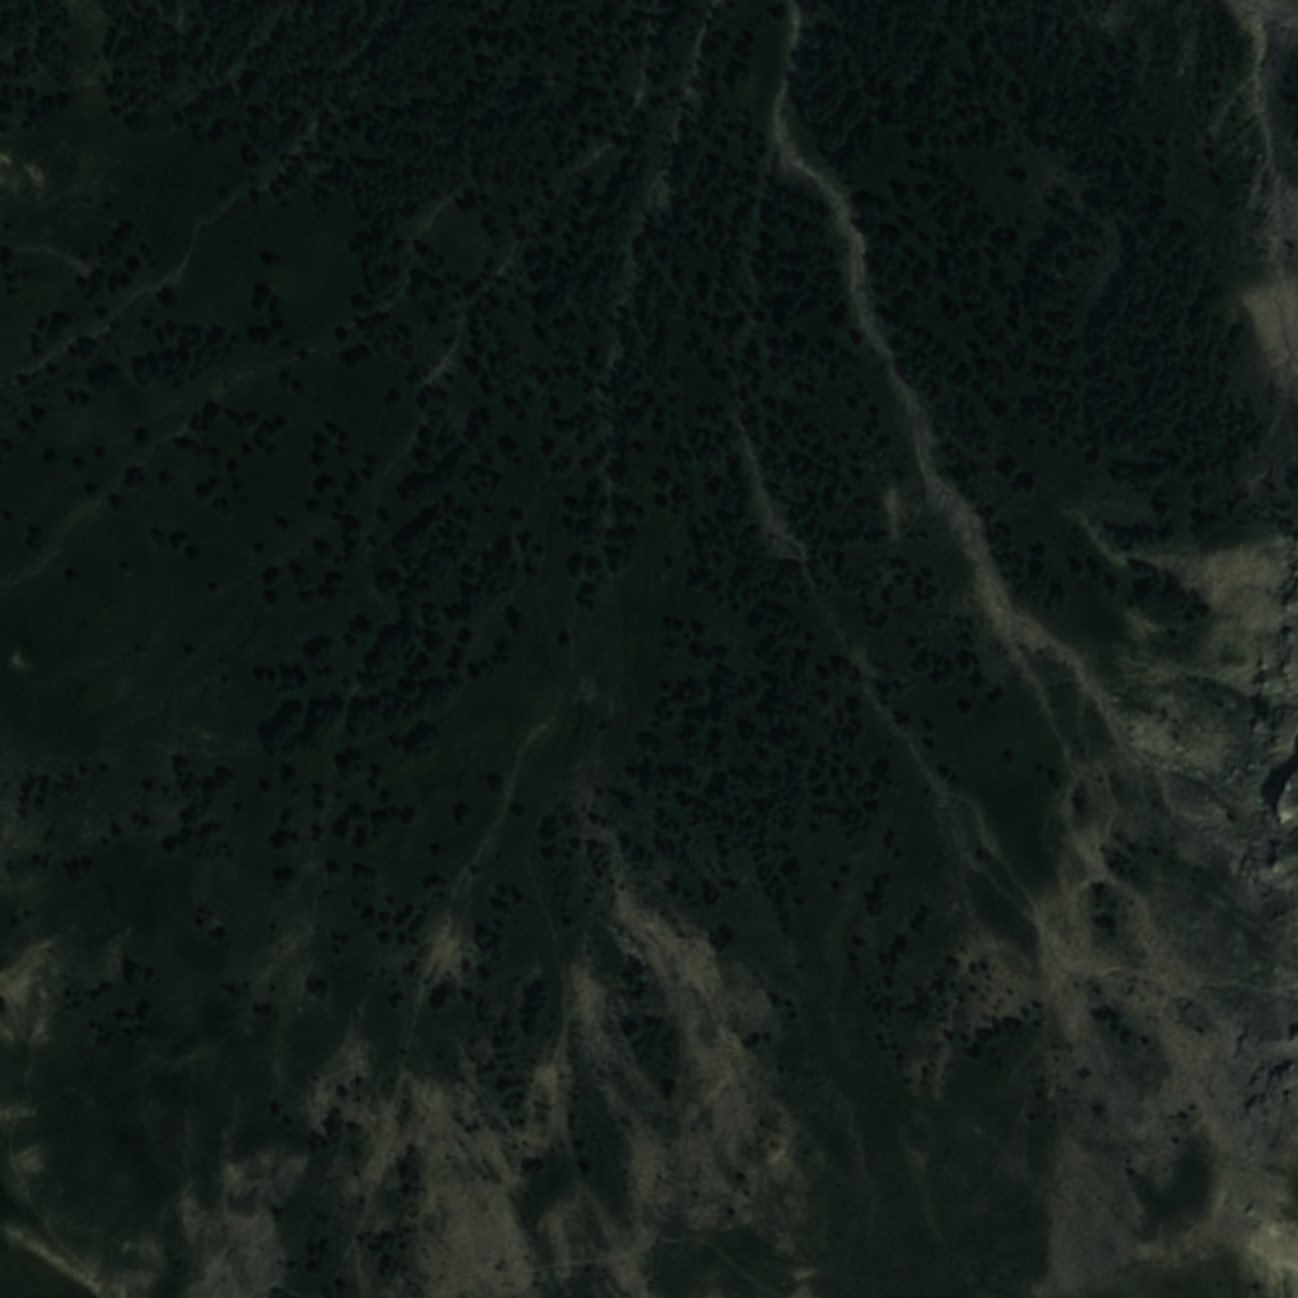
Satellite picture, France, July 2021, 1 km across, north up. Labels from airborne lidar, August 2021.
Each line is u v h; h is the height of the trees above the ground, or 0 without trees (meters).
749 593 12
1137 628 0
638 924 0
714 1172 0
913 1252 0
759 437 16
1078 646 0
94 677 0
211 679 0
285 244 0
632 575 0
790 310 21
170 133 0
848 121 22
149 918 0
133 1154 0
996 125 20
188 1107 0
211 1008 0
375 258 18
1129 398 11
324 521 0
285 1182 0
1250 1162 0
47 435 0
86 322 0
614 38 16
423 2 20
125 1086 0
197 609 0
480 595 21
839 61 22
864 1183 0
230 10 19
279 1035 0
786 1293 0
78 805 0
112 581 0
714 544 12
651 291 16
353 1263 0
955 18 20
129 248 13
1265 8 0
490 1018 7
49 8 15
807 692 13
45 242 0
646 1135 0
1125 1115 0
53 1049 0
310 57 14
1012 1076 0
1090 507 0
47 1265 0
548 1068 0
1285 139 0
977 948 0
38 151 0
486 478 14
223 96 16
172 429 0
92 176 0
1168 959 0
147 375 18
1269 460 0
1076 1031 0
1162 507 14
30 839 0
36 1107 0
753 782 16
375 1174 0
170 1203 0
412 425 0
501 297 7
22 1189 0
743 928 0
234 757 0
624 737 0
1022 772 0
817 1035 0
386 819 17
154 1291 0
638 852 13
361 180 14
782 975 0
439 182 20
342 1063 0
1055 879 0
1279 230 0
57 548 0
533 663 0
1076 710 0
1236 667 0
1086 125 21
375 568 0
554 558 0
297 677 19
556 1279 0
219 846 15
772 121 0
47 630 0
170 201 0
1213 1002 0
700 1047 0
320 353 0
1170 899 0
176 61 18
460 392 0
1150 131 0
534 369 8
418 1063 0
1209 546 0
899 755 0
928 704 0
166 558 0
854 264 0
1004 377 14
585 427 17
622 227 17
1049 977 0
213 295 0
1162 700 0
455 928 0
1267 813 0
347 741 0
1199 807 0
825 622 0
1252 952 0
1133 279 17
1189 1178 0
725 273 8
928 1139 0
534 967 0
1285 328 0
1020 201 0
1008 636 0
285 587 0
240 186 0
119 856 0
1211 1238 0
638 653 0
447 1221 0
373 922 14
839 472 12
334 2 14
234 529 0
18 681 0
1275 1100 0
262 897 0
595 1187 0
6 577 0
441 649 20
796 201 22
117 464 0
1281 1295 0
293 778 18
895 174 0
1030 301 16
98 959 0
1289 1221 0
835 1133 0
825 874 0
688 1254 0
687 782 17
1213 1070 0
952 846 0
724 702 18
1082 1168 0
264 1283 0
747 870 0
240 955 0
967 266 18
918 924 13
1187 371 15
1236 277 0
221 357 19
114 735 0
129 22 16
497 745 0
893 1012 11
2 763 0
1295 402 0
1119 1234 0
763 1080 0
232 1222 0
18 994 0
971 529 0
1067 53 15
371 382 0
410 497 17
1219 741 0
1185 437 14
